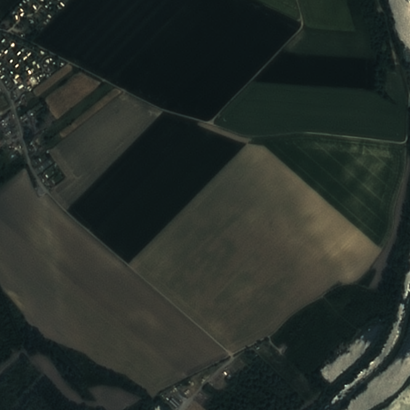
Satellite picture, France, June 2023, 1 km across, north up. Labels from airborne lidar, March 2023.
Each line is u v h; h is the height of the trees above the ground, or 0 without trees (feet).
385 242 0
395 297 53
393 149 0
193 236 0
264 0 0
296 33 0
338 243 0
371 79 0
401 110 0
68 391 0
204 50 0
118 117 0
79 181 0
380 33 27
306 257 0
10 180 0
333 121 0
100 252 0
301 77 0
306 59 0
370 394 0
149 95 0
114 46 0
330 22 0
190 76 0
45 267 0
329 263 0
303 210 0
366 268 0
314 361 0
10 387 18
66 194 0
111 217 0
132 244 0
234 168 0
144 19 0
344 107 0
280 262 0
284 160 0
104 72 0
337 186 0
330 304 0
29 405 67
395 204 0
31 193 0
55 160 0
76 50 0
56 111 0
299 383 0
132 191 0
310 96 0
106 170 0
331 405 0
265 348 0
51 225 0
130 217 0
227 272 0
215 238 0
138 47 0
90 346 0
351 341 0
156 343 0
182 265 0
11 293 0
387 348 0
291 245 0
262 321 0
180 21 0
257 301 0
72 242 0
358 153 0
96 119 0
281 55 0
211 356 0
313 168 0
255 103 0
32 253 0
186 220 0
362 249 0
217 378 0
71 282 0
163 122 0
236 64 0
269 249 0
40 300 0
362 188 0
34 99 0
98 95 0
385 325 22
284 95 0
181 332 0
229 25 0
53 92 0
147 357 0
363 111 0
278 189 0
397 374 0
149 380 0
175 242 0
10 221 0
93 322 0
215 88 0
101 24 0
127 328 0
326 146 0
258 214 0
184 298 0
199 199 0
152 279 0
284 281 0
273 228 0
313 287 0
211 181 0
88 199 0
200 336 0
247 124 0
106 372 44
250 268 0
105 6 0
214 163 0
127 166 0
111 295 0
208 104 0
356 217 0
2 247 0
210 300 0
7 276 0
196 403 0
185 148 0
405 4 0
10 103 0
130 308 0
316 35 0
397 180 0
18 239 0
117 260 0
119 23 0
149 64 0
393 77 0
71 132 0
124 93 0
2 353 20
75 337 0
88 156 0
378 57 52
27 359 74
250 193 0
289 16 0
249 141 0
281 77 0
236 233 0
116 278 0
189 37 0
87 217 0
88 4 0
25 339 26
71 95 0
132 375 0
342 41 0
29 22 22
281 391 48
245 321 0
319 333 0
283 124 0
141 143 0
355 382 0
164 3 0
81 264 0
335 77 0
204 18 0
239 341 0
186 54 0
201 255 0
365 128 0
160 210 0
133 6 0
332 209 0
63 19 0
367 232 0
